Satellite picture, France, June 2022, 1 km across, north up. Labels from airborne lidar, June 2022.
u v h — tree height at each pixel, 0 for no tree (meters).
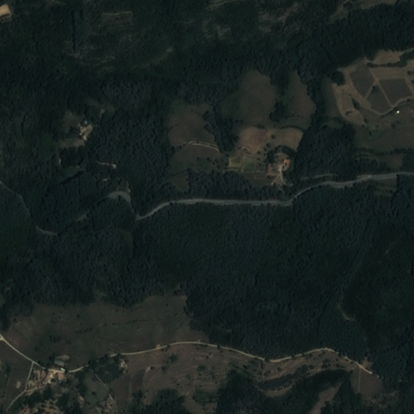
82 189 35
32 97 19
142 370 0
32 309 7
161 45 10
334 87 0
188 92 15
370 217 17
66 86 28
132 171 13
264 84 0
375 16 10
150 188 26
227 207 13
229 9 9
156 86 23
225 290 18
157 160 23
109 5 7
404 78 0
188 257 10
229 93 14
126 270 20
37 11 9
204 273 22
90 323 0
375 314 16
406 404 13
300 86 0
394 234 8
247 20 10
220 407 12
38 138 14
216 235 10
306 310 18
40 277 14
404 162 7
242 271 19
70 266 12
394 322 16
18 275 12
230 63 19
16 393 0
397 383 14
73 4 12
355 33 11
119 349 0
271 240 18
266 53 22
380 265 6
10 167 18
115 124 16
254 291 23
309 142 22
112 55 7
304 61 17
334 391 0
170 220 12
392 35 15
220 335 6
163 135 14
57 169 17
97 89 30
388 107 0
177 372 0
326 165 13
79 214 27
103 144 22
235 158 0
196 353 0
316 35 26
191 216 17
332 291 19
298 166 18
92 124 12
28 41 13
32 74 20
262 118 0
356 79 0
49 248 13
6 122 13
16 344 0
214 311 13
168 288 14
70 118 0
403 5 21
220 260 15
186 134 0
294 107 0
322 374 10
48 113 11
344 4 6
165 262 17
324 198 22
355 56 6
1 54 11
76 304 8
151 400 0
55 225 35
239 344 9
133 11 11
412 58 12
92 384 0
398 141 0
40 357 0
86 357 0
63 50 11
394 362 26
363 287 10
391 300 18
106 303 6
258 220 9
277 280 18
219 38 10
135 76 18
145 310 0
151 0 13
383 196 6
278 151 12
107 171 10
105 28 9
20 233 18
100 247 11
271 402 8
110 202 20
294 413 16
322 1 11
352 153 12
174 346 0
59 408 7
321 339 20
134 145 9
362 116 0
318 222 20
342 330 23
